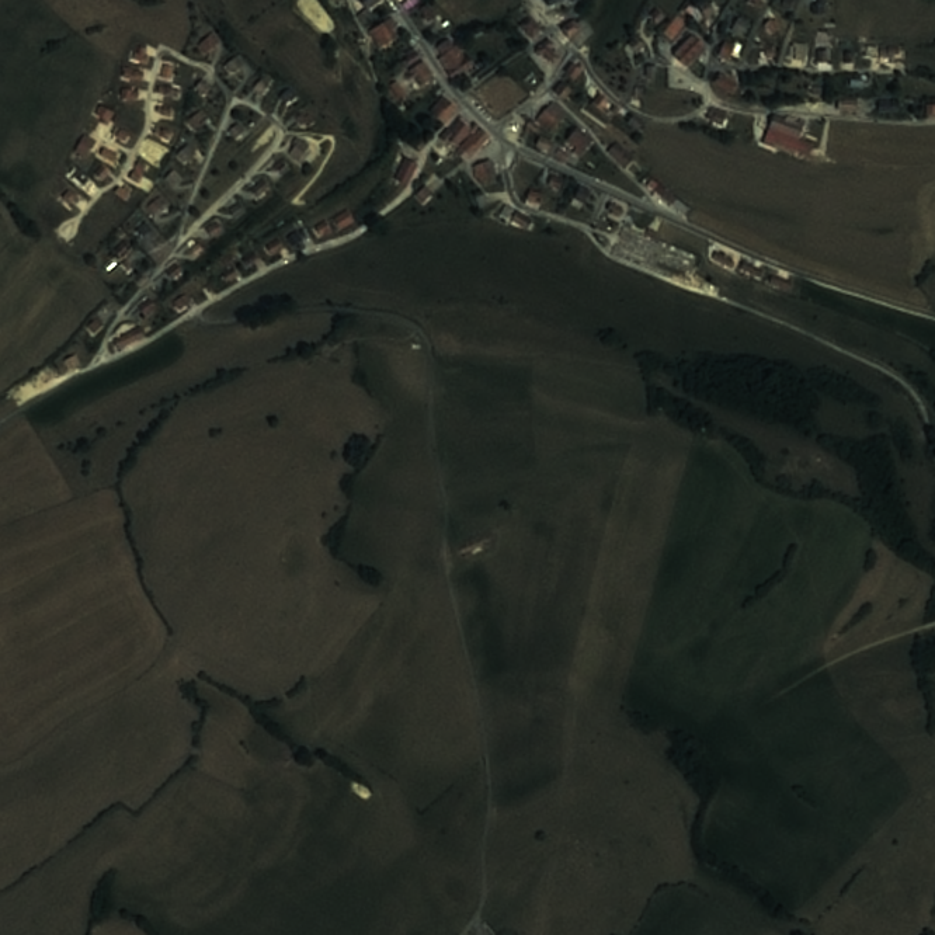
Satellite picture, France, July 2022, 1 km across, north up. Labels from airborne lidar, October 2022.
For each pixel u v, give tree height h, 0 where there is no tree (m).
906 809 0
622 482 0
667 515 0
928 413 0
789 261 0
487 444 0
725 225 0
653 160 0
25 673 0
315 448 0
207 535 0
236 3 0
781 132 0
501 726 0
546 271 0
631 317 0
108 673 0
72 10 0
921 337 0
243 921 0
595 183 0
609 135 0
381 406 0
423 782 0
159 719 0
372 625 0
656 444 0
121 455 0
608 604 0
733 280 0
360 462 18
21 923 0
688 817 0
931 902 0
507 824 0
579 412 0
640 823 0
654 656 0
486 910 0
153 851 0
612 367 0
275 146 0
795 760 0
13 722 0
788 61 0
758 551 0
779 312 0
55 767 0
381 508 0
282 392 0
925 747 0
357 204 0
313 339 0
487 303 0
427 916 0
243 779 0
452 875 0
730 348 0
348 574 0
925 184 0
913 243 0
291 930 0
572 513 0
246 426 0
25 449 0
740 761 0
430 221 0
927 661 6
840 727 0
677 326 0
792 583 0
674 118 0
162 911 0
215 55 0
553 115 0
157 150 0
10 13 0
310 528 0
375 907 0
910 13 0
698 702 0
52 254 0
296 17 0
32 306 0
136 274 9
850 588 0
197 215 16
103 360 0
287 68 0
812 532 0
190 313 0
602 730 0
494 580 0
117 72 0
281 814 0
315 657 0
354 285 0
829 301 0
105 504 0
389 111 18
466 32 18
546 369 0
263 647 0
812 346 0
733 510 0
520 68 0
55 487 0
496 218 0
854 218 0
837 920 0
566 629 0
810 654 0
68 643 0
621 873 0
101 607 0
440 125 6
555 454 0
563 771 0
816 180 0
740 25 0
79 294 0
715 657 0
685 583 0
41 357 0
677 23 0
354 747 0
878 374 0
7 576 0
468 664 0
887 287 0
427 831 0
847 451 8
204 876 0
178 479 0
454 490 0
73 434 0
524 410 0
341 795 0
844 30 0
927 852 0
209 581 0
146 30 0
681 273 0
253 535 0
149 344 0
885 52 0
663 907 0
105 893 9
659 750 0
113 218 0
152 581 0
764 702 0
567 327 0
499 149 0
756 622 0
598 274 0
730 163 0
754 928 0
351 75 0
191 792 0
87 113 0
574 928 0
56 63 0
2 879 0
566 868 0
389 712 0
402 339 0
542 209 0
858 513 6
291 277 0
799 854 0
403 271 0
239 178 0
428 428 0
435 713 0
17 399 0
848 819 0
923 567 8
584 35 0
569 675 0
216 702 0
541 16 0
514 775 0
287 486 0
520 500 0
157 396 0
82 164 0
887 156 0
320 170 0
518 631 0
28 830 0
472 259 0
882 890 0
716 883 0
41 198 0
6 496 0
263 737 0
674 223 0
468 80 17
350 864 0
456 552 0
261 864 0
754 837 0
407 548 0
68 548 0
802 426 8
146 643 0
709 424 8
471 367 0
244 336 0
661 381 0
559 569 0
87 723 0
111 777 0
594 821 0
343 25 0
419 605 0
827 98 15
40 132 0
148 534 0
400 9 0
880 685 0
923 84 0
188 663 0
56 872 0
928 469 0
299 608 0
